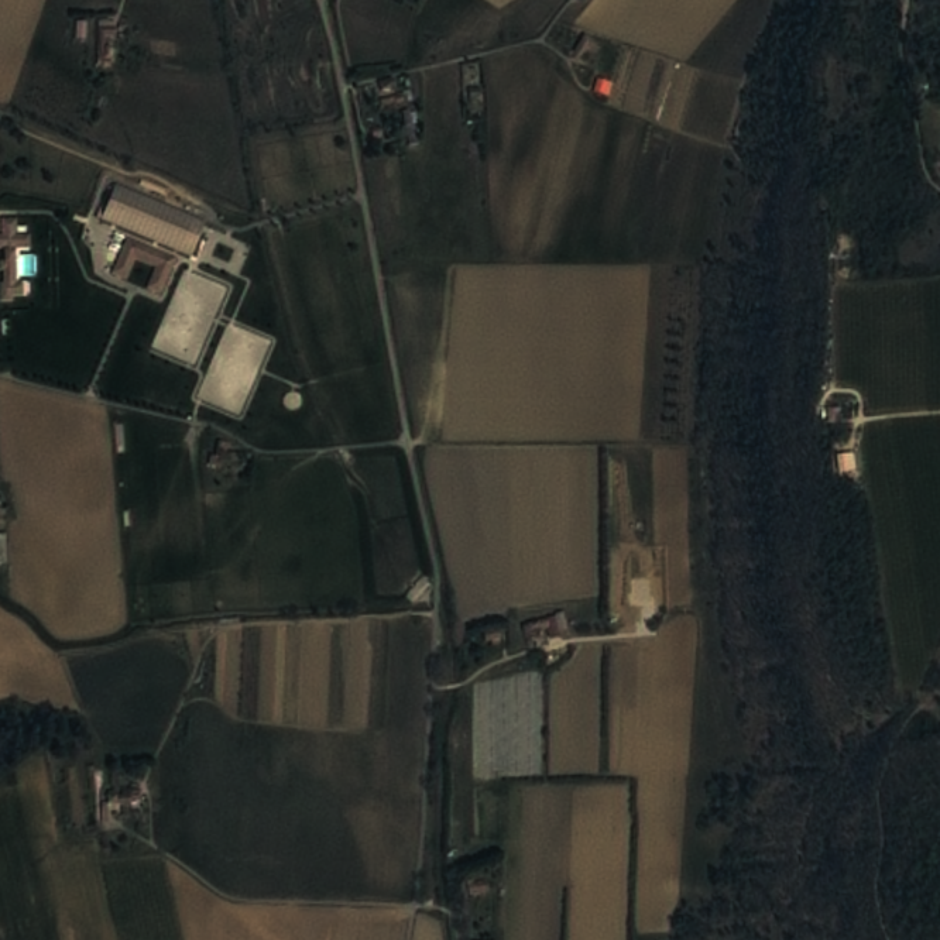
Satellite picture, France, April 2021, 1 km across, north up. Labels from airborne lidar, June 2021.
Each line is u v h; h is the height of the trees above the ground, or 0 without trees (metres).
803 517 11
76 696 0
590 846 0
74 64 0
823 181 10
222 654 0
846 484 11
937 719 0
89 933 0
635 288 0
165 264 0
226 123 0
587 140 0
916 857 9
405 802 0
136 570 0
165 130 0
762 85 7
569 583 0
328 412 0
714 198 0
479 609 0
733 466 12
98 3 0
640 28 0
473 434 0
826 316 9
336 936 0
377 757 0
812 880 8
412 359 0
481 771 0
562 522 0
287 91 0
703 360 7
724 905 11
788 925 8
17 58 0
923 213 7
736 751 0
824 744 13
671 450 0
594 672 0
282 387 0
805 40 10
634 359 0
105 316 0
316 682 0
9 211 0
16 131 15
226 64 11
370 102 16
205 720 0
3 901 0
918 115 24
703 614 0
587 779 6
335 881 0
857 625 8
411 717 0
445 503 0
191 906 0
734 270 8
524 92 0
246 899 0
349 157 0
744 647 11
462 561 0
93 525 0
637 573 0
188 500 0
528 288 0
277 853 0
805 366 13
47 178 15
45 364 0
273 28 0
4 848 0
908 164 11
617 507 0
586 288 0
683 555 0
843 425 13
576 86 0
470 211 0
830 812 10
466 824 0
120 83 0
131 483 0
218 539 0
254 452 8
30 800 0
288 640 0
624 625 0
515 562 0
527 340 0
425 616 0
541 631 10
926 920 7
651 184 0
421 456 0
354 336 0
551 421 0
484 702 0
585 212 0
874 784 16
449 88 0
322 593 0
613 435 0
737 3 0
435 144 0
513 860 0
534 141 0
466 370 0
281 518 0
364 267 0
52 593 0
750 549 9
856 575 11
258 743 0
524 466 0
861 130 14
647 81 0
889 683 10
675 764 0
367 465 0
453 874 13
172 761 0
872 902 13
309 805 0
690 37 0
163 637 0
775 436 15
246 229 0
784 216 14
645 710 0
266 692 0
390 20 0
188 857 0
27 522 0
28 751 16
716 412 9
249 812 0
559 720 0
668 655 0
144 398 0
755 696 12
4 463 0
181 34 0
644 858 0
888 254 9
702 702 0
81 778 0
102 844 7
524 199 0
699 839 0
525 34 0
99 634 0
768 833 8
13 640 0
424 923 0
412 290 0
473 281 0
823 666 11
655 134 0
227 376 0
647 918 0
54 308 0
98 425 0
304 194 0
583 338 0
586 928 0
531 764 0
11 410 0
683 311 6
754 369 13
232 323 0
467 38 0
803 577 8
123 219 0
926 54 15
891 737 12
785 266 19
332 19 0
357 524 0
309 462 0
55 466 0
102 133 0
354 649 0
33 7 0
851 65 15
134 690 0
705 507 0
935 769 15
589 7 0
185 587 0
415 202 0
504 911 0
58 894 0
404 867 0
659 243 0
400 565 0
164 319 0
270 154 0
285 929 0
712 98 0
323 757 0
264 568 0
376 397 0
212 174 0
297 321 0
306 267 0
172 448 0
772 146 9
